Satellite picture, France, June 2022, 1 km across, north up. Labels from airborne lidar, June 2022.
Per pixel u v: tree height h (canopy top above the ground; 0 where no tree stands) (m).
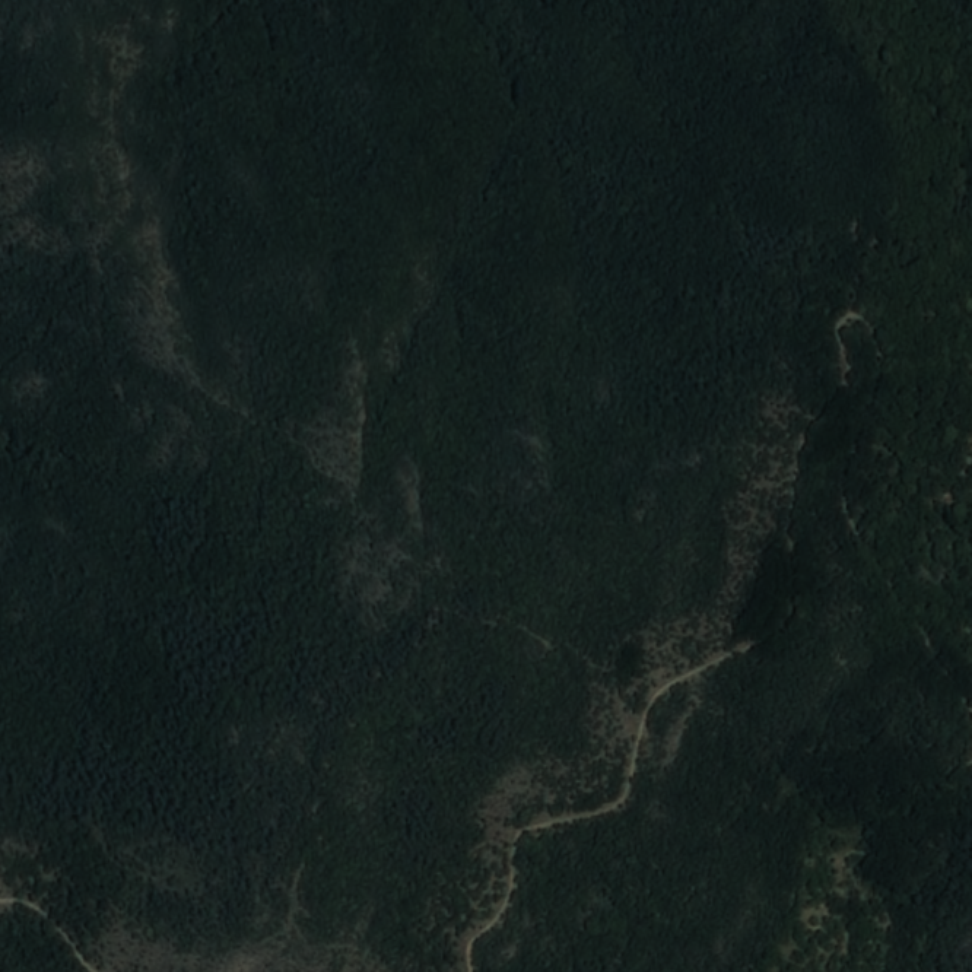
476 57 13
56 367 12
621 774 7
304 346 6
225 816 9
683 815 10
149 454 6
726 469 8
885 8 15
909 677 8
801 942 8
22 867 6
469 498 9
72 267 8
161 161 6
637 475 9
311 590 9
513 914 9
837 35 17
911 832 22
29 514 8
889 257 15
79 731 10
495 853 8
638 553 6
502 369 10
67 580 12
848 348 8
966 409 17
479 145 9
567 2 20
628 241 14
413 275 6
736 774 14
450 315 6
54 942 10
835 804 17
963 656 14
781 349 10
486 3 7
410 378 6
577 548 7
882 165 18
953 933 8
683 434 7
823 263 11
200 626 15
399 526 5
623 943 9
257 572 10
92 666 8
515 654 6
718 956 7
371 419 12
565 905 10
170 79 15
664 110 14
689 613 8
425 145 15
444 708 16
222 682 9
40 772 9
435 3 12
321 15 12
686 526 10
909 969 15
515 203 8
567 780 7
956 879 15
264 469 6
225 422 6
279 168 9
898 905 14
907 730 10
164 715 7
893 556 21
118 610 9
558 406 13
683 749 7
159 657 10
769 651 17
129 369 6
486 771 7
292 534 8
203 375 6
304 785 9
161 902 11
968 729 12
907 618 19
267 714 7
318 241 12
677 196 14
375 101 5
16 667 6
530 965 10
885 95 20
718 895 7
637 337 9
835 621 6
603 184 11
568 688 7
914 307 18
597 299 9
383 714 8
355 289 7
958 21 15
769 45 6
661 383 11
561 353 11
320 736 7
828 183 11
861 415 19
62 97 11
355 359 8
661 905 9
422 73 11
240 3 13
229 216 7
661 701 7
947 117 16
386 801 6
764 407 7
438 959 9
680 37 20
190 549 19
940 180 21
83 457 14
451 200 7
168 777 8
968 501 14
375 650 7
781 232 14
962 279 21
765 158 9
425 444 9
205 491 9
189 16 10
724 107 19
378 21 10
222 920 9
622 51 12
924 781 19
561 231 10
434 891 9
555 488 6
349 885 6
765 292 9
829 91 12
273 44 16
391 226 6
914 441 9
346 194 9
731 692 10
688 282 12
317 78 7
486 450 7
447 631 6
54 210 7
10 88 7
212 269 6
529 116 11
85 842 10
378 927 9
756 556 8
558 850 8
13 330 8
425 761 7
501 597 11
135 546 10
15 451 19
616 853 12
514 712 12
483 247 12
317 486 7
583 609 6
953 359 15
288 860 8
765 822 15
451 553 7
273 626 12
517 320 8
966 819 16
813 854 9
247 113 14
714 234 15
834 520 11
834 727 17
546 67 10
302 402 6
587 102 9
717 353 8
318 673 8
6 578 5
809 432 10
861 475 14
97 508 7
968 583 16
